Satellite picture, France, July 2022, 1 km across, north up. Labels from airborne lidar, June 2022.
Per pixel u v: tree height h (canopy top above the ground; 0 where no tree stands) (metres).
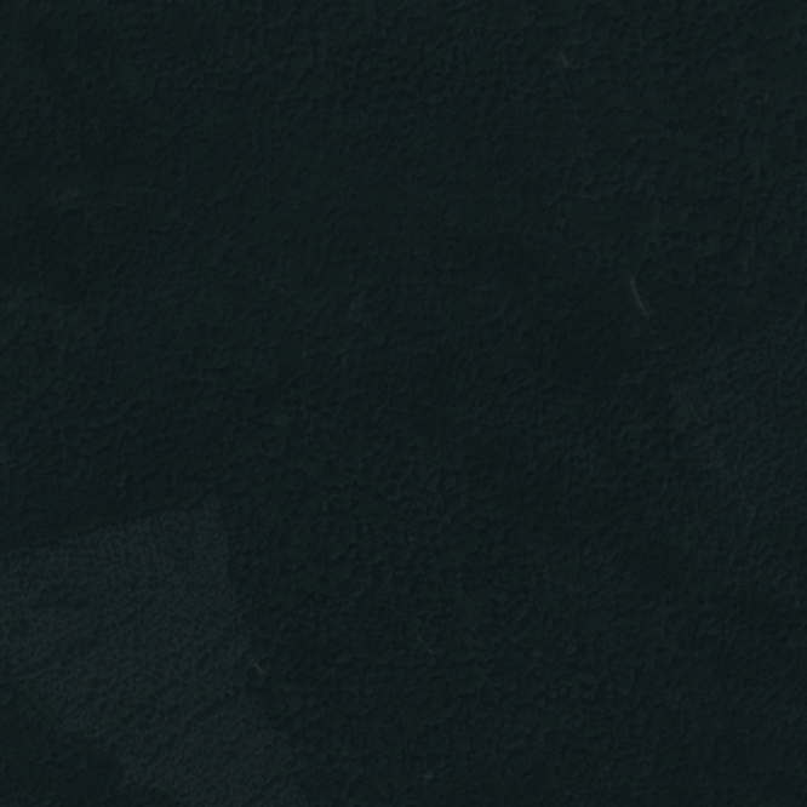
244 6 18
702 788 18
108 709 16
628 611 27
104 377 21
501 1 19
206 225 26
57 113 33
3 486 29
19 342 16
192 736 16
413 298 21
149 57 20
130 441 38
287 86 23
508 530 26
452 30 18
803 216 29
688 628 24
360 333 17
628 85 24
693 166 22
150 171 9
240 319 24
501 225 22
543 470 15
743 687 22
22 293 12
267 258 25
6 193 23
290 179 20
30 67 26
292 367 25
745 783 24
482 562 27
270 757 16
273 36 23
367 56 18
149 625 18
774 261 22
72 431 29
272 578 24
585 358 18
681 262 23
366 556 28
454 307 20
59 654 15
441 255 22
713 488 19
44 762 26
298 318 28
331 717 19
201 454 29
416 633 22
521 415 23
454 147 24
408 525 13
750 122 9
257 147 17
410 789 26
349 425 26
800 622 12
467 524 31
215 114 22
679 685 27
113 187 13
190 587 17
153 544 18
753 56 23
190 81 17
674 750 20
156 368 20
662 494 18
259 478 23
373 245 25
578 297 20
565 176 14
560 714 28
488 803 28
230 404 22
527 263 18
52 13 12
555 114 20
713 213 33
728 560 18
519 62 17
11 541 27
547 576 18
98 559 17
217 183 23
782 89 31
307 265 15
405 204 22
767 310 24
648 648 20
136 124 16
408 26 24
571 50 20
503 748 22
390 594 19
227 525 19
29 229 14
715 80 24
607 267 23
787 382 23
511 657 38
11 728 25
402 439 25
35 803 22
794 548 18
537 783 28
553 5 20
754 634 27
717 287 6
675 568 13
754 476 24
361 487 28
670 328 16
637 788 23
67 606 21
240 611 16
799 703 24
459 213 19
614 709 28
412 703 28
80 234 16
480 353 13
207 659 20
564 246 19
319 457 27
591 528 11
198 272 16
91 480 28
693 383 21
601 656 26
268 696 24
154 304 23
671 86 25
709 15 26
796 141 11
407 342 22
